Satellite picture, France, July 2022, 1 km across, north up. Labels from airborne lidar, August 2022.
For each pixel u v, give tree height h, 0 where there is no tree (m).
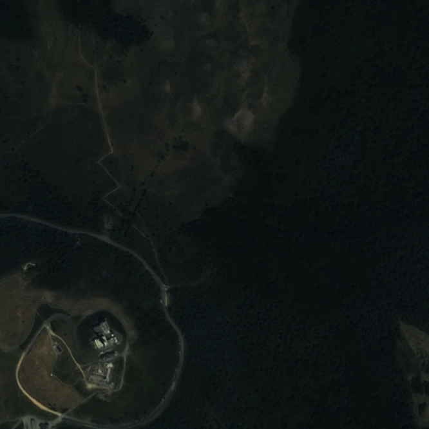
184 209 0
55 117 0
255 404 6
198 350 10
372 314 17
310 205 8
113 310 0
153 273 0
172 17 0
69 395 0
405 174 15
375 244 17
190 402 8
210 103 0
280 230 18
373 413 13
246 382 8
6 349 0
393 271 18
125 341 0
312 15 6
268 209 11
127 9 0
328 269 17
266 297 14
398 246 17
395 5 14
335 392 14
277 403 14
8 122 0
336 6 16
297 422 8
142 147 0
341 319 15
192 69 0
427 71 15
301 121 7
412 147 14
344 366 13
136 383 0
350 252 19
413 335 0
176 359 0
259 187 12
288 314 12
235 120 0
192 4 0
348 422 23
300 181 7
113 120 0
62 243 9
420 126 22
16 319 0
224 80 0
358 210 18
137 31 10
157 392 0
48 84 0
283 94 0
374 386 8
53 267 6
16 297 0
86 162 0
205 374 7
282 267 18
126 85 0
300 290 13
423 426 0
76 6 17
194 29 0
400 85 17
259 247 22
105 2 13
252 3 0
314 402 16
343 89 7
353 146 15
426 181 22
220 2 0
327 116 8
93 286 0
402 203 21
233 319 6
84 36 0
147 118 0
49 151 0
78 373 0
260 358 10
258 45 0
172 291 8
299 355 10
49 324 0
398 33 18
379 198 10
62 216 7
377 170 18
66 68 0
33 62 0
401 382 6
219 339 15
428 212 24
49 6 0
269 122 0
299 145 6
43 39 0
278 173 13
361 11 6
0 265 0
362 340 20
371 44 7
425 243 22
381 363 22
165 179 0
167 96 0
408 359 0
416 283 16
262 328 13
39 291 0
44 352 0
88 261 0
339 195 16
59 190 0
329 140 9
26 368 0
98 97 0
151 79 0
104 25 7
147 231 0
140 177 0
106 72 0
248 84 0
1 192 0
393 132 13
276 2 0
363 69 13
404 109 8
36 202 6
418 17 14
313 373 8
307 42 6
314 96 13
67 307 0
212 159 0
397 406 20
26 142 0
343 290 20
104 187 0
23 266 0
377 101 8
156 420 7
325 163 9
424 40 19
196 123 0
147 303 0
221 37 0
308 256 15
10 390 0
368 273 20
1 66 0
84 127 0
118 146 0
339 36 7
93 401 0
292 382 13
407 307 20
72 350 0
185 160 0
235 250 20
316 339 13
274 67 0
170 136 0
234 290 15
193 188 0
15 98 0
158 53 0
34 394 0
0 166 0
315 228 23
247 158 11
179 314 6
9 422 0
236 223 19
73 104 0
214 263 6
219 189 0
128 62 0
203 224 14
